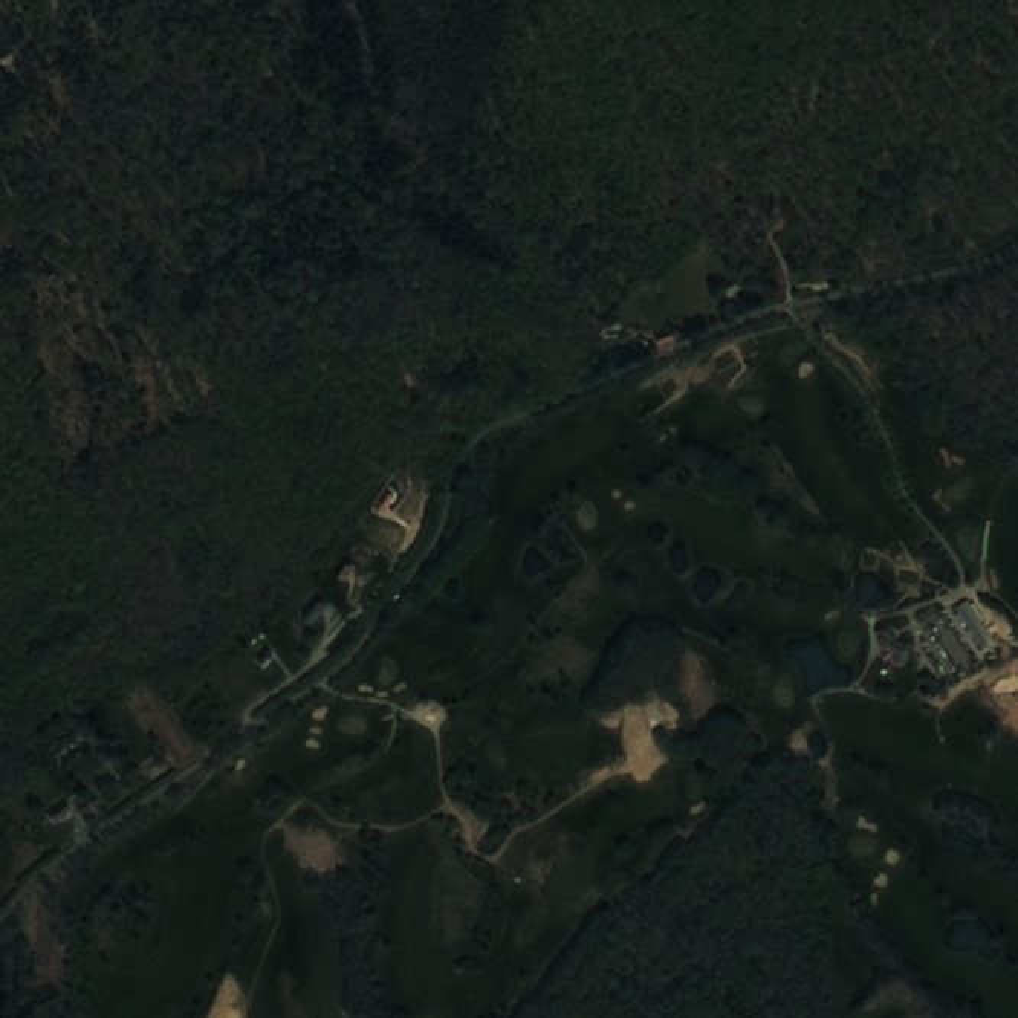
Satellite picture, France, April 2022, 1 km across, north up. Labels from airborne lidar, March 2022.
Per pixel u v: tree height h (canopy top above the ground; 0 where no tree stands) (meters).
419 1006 0
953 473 0
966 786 0
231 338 28
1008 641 0
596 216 20
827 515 0
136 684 24
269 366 23
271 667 0
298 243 19
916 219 25
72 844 0
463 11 10
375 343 29
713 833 21
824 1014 23
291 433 25
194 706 11
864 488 0
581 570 0
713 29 20
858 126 24
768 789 20
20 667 23
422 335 29
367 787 0
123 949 0
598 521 0
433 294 23
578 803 0
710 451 14
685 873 26
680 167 26
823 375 8
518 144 16
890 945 15
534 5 15
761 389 0
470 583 0
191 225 24
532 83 18
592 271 20
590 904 0
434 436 27
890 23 26
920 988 19
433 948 0
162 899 0
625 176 21
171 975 0
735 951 24
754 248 26
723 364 0
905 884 0
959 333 28
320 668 8
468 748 0
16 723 22
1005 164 26
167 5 24
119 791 19
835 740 0
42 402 19
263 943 0
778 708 0
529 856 0
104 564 25
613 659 16
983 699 0
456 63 11
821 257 24
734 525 0
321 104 24
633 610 0
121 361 26
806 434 0
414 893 0
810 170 25
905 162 21
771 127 22
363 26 19
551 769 0
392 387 29
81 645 28
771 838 20
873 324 26
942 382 28
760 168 25
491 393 19
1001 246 0
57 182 22
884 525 0
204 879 0
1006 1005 0
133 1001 0
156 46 29
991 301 27
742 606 0
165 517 34
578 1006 25
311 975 0
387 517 0
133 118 24
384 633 12
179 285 21
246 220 23
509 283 26
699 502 0
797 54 22
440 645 0
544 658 0
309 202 25
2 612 30
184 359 26
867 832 0
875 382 0
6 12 18
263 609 12
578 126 18
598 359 20
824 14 26
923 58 30
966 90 28
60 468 24
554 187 15
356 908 17
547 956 0
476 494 24
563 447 0
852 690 0
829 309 21
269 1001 0
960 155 21
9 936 9
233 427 23
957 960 0
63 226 5
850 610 20
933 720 0
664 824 12
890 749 0
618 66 22
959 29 30
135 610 29
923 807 0
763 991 28
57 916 18
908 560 0
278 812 16
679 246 26
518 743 0
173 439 23
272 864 0
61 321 23
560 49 19
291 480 26
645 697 27
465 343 17
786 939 28
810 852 19
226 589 32
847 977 0
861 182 23
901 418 0
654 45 24
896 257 24
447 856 0
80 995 8
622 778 0
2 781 26
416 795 0
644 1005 27
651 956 24
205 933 0
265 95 24
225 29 26
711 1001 20
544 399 23
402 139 12
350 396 27
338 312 30
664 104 24
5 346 24
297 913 0
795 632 0
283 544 29
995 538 0
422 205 18
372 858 13
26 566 24
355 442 26
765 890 23
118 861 0
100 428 24
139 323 24
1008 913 0
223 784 0
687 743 20
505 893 0
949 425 14
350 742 0
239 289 24
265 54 23
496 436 0
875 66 22
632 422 0
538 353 20
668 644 29
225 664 8
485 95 12
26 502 25
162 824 0
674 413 0
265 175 24
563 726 0
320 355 25
